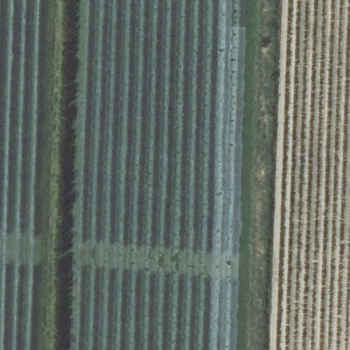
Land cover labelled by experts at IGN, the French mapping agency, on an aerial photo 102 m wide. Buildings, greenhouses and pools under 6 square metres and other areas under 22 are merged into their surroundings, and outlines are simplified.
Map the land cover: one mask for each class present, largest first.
<instances>
[{"label":"vineyard","instance_id":"1","mask_svg":"<svg viewBox=\"0 0 350 350\"><path fill-rule=\"evenodd\" d=\"M48 0H0V350H37L41 268L37 264L34 265V235L37 237L41 234ZM63 82L60 101L59 217L56 245V350H350V0H63Z\"/></svg>","mask_w":350,"mask_h":350},{"label":"deciduous trees","instance_id":"2","mask_svg":"<svg viewBox=\"0 0 350 350\"><path fill-rule=\"evenodd\" d=\"M63 0H48L41 234L37 237L34 235V265L37 264L41 268L37 350H56V245L59 217L60 101L63 82Z\"/></svg>","mask_w":350,"mask_h":350}]
</instances>
